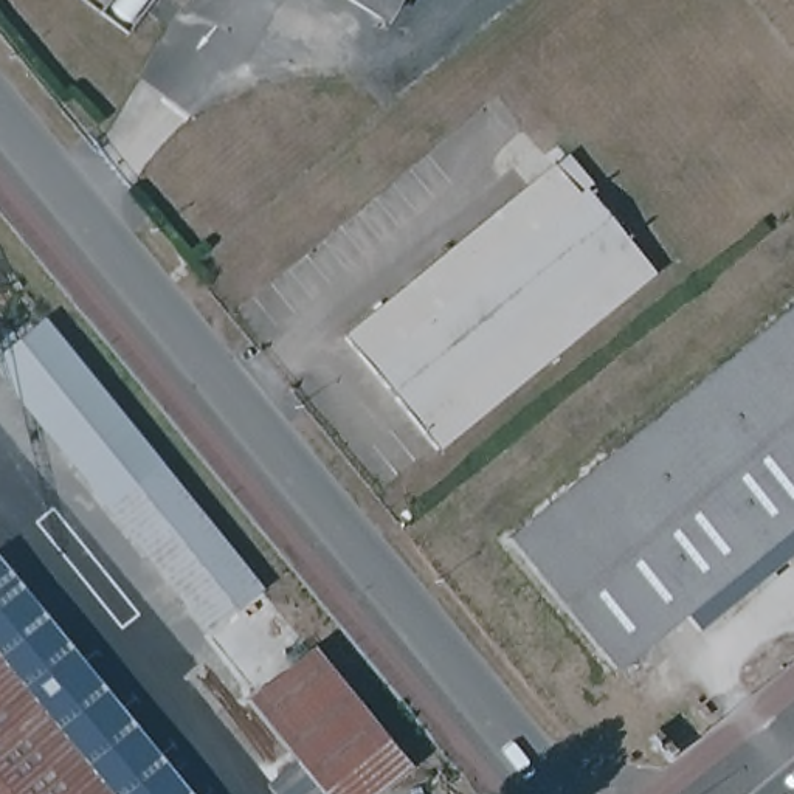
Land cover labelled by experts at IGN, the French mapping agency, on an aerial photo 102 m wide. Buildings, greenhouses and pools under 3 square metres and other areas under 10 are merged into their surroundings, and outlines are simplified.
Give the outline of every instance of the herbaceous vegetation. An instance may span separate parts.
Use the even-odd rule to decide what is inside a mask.
[[[90,366],[90,372],[102,381],[102,388],[115,397],[115,403],[127,413],[127,419],[140,428],[140,434],[155,447],[155,453],[189,490],[189,496],[202,506],[202,512],[242,555],[242,561],[254,571],[264,589],[273,605],[292,605],[292,630],[298,642],[288,645],[288,658],[307,658],[310,651],[323,651],[413,763],[431,757],[431,741],[416,726],[416,720],[409,720],[409,710],[400,707],[400,701],[385,689],[385,682],[350,648],[350,642],[338,633],[338,617],[319,599],[319,592],[301,577],[295,561],[279,549],[276,540],[267,537],[261,521],[233,493],[220,471],[208,462],[208,456],[199,453],[199,447],[183,434],[180,422],[171,419],[161,400],[130,369],[124,354],[118,354],[118,347],[74,301],[74,295],[56,279],[56,273],[40,261],[40,254],[0,211],[0,363],[6,357],[6,347],[19,341],[19,329],[50,319],[62,332],[62,338],[78,350],[78,357]]]
[[[28,40],[28,47],[40,56],[40,62],[59,78],[59,84],[78,87],[105,115],[102,121],[96,121],[81,102],[56,99],[53,90],[40,81],[40,74],[16,53],[9,37],[0,31],[0,78],[59,149],[81,146],[96,133],[112,136],[115,115],[127,105],[130,93],[140,84],[146,84],[152,53],[164,47],[164,28],[158,16],[143,19],[136,12],[124,37],[90,12],[96,0],[0,0],[0,9],[9,19],[9,25]]]
[[[611,670],[602,670],[586,639],[543,596],[543,589],[527,577],[527,571],[502,549],[502,533],[512,533],[524,527],[524,521],[533,512],[546,512],[549,502],[564,496],[577,475],[589,475],[596,462],[605,459],[605,453],[614,453],[627,447],[633,437],[639,437],[673,403],[692,394],[729,360],[735,360],[760,332],[778,323],[788,310],[794,310],[794,220],[778,223],[757,248],[738,257],[710,285],[710,292],[682,304],[645,338],[627,347],[617,360],[611,360],[599,375],[592,375],[583,388],[568,394],[540,425],[521,434],[518,444],[502,450],[475,478],[459,484],[428,515],[413,521],[409,499],[444,481],[530,394],[555,385],[583,357],[608,344],[623,329],[623,323],[630,323],[639,310],[664,298],[673,285],[685,282],[692,270],[710,264],[757,220],[794,205],[794,0],[499,0],[499,12],[493,12],[475,37],[453,47],[450,56],[428,65],[416,81],[409,81],[397,93],[360,87],[344,71],[288,71],[282,81],[254,81],[239,93],[220,93],[202,112],[189,115],[189,121],[183,121],[161,143],[161,149],[143,164],[143,174],[133,186],[155,202],[155,208],[189,245],[199,245],[199,239],[214,245],[214,257],[202,261],[205,279],[199,282],[189,273],[186,257],[177,251],[177,245],[133,202],[115,220],[146,248],[155,267],[186,298],[199,323],[214,335],[223,354],[230,354],[230,347],[242,350],[245,344],[251,344],[245,329],[251,329],[251,319],[242,310],[245,301],[270,292],[273,282],[282,279],[282,273],[304,254],[316,254],[319,245],[341,223],[363,211],[372,199],[385,195],[413,164],[419,164],[437,146],[440,136],[465,127],[465,121],[471,121],[475,115],[487,115],[487,99],[502,99],[502,105],[512,115],[518,109],[530,109],[533,115],[540,115],[555,130],[558,149],[592,177],[599,202],[617,217],[617,223],[633,236],[639,251],[651,261],[654,279],[642,285],[633,298],[627,298],[599,326],[592,326],[580,341],[574,341],[558,357],[558,363],[540,369],[493,413],[475,422],[447,450],[434,450],[428,459],[413,462],[406,471],[397,471],[394,478],[375,475],[344,440],[341,428],[319,409],[319,403],[301,378],[292,381],[292,391],[304,403],[307,416],[292,422],[292,434],[307,450],[307,456],[323,468],[323,475],[338,487],[347,506],[363,518],[363,524],[388,546],[397,564],[416,580],[416,586],[440,611],[450,630],[465,642],[465,648],[481,661],[481,667],[496,679],[496,685],[512,698],[512,704],[527,716],[527,723],[543,735],[549,747],[605,720],[623,720],[623,763],[661,772],[670,763],[676,763],[676,747],[695,741],[698,732],[685,716],[701,707],[698,695],[704,689],[701,682],[692,682],[689,689],[682,689],[676,701],[664,704],[648,695],[651,673],[658,673],[658,664],[664,661],[664,642],[651,648],[642,664],[614,664]]]
[[[794,670],[794,633],[782,633],[763,642],[741,664],[738,682],[751,701],[757,701],[772,673]]]

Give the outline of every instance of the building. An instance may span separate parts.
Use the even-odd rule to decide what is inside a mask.
[[[295,751],[292,763],[282,766],[276,778],[267,778],[270,794],[422,794],[419,788],[403,788],[403,778],[413,775],[413,763],[323,651],[310,651],[307,658],[288,658],[288,667],[254,692],[254,701],[270,713],[270,720],[282,729],[285,741]]]
[[[99,670],[87,661],[87,654],[71,642],[62,623],[16,574],[9,558],[0,555],[0,794],[195,794],[183,772],[161,754],[155,738],[130,713],[130,707],[112,692]]]
[[[543,577],[577,611],[583,627],[599,639],[599,645],[611,654],[614,664],[642,664],[651,648],[664,642],[689,617],[695,617],[701,627],[713,627],[769,577],[785,574],[794,561],[794,310],[788,310],[778,323],[760,332],[735,360],[729,360],[692,394],[673,403],[639,437],[633,437],[627,447],[614,453],[605,453],[605,459],[596,462],[589,475],[577,475],[564,496],[549,502],[546,512],[533,512],[524,521],[524,527],[512,533],[512,540],[530,555]]]
[[[397,9],[406,0],[369,0],[388,25],[397,19]]]
[[[6,357],[0,363],[0,375],[9,375],[12,388],[22,394],[25,406],[31,409],[43,434],[59,447],[62,459],[90,487],[96,506],[109,515],[109,521],[164,580],[164,589],[183,602],[186,617],[199,623],[202,636],[217,633],[230,620],[230,614],[236,614],[264,589],[254,571],[242,561],[242,555],[202,512],[202,506],[189,496],[189,490],[155,453],[155,447],[140,434],[140,428],[127,419],[127,413],[115,403],[115,397],[102,388],[102,381],[90,372],[90,366],[78,357],[78,350],[62,338],[62,332],[50,319],[19,329],[19,341],[6,347]]]
[[[487,223],[481,223],[437,264],[416,276],[403,292],[397,292],[391,301],[375,304],[372,313],[354,332],[344,335],[347,350],[372,378],[372,385],[381,388],[381,397],[391,400],[400,409],[400,416],[413,425],[413,431],[434,450],[447,450],[475,422],[493,413],[540,369],[558,363],[558,357],[574,341],[580,341],[592,326],[599,326],[627,298],[633,298],[642,285],[654,279],[651,261],[639,251],[633,236],[617,223],[617,217],[599,202],[592,177],[558,149],[537,149],[527,133],[506,143],[496,152],[493,167],[496,174],[518,174],[524,192],[518,192]]]

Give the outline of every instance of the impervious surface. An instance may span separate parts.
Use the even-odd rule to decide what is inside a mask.
[[[0,555],[9,558],[16,574],[62,623],[71,642],[87,654],[87,661],[99,670],[112,692],[130,707],[130,713],[155,738],[161,754],[183,772],[195,794],[270,794],[267,778],[276,778],[282,766],[292,763],[295,751],[285,741],[282,729],[270,720],[270,713],[254,701],[254,692],[288,667],[288,658],[288,645],[298,642],[292,630],[292,605],[273,605],[264,589],[236,614],[230,614],[230,620],[217,633],[202,636],[199,623],[186,617],[183,602],[164,589],[164,580],[109,521],[109,515],[96,506],[90,487],[62,459],[59,447],[43,434],[31,409],[25,406],[22,394],[12,388],[9,375],[0,375]]]
[[[602,670],[611,670],[614,664],[611,654],[599,645],[599,639],[583,627],[577,611],[543,577],[530,555],[512,540],[512,533],[502,533],[502,549],[527,571],[527,577],[543,589],[543,596],[586,639]]]
[[[413,462],[428,459],[434,450],[413,431],[413,425],[400,416],[400,409],[391,400],[381,397],[381,388],[372,385],[372,378],[347,350],[344,335],[354,332],[372,313],[375,304],[391,301],[397,292],[403,292],[416,276],[437,264],[481,223],[487,223],[518,192],[524,192],[518,174],[496,174],[493,167],[496,152],[506,143],[527,133],[537,149],[558,149],[555,130],[540,115],[533,115],[530,109],[518,109],[512,115],[502,105],[502,99],[487,99],[487,115],[475,115],[471,121],[465,121],[465,127],[440,136],[437,146],[419,164],[413,164],[385,195],[372,199],[363,211],[341,223],[319,245],[316,254],[304,254],[282,273],[282,279],[273,282],[270,292],[245,301],[242,310],[251,319],[251,329],[245,329],[251,344],[245,344],[242,350],[230,347],[230,354],[223,354],[214,335],[199,323],[186,298],[155,267],[146,248],[115,220],[133,202],[133,186],[143,174],[143,164],[161,149],[161,143],[183,121],[189,121],[189,115],[202,112],[220,93],[239,93],[254,81],[282,81],[288,71],[344,71],[360,87],[397,93],[409,81],[416,81],[428,65],[450,56],[453,47],[475,37],[493,12],[499,12],[499,0],[406,0],[397,9],[397,19],[388,25],[369,0],[96,0],[90,12],[124,37],[136,12],[143,19],[158,16],[164,28],[164,47],[152,53],[146,84],[140,84],[130,93],[127,105],[115,115],[112,136],[96,133],[81,146],[59,149],[0,78],[0,211],[40,254],[40,261],[56,273],[56,279],[74,295],[74,301],[118,347],[118,354],[124,354],[130,369],[161,400],[171,419],[180,422],[183,434],[199,447],[199,453],[208,456],[208,462],[220,471],[233,493],[261,521],[267,537],[276,540],[279,549],[295,561],[301,577],[319,592],[319,599],[338,617],[338,633],[350,642],[350,648],[385,682],[385,689],[400,701],[400,707],[409,710],[409,720],[416,720],[416,726],[431,741],[431,757],[413,763],[413,775],[403,778],[403,788],[419,788],[422,794],[794,794],[794,670],[772,673],[757,701],[751,701],[738,682],[723,695],[707,695],[704,689],[698,695],[701,707],[685,716],[698,732],[695,741],[676,747],[676,763],[670,763],[661,772],[623,763],[623,720],[605,720],[549,747],[543,735],[527,723],[527,716],[512,704],[512,698],[496,685],[496,679],[481,667],[481,661],[465,648],[465,642],[450,630],[440,611],[416,586],[416,580],[397,564],[388,546],[363,524],[363,518],[347,506],[338,487],[323,475],[323,468],[307,456],[307,450],[292,434],[292,422],[307,416],[304,403],[292,391],[292,381],[301,378],[319,403],[319,409],[341,428],[344,440],[375,475],[394,478],[397,471],[406,471]]]

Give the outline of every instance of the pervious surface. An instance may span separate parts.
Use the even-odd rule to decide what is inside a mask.
[[[658,673],[651,673],[648,695],[664,704],[676,701],[682,689],[689,689],[692,682],[701,682],[704,689],[707,695],[723,695],[738,682],[741,664],[763,642],[782,633],[794,633],[794,561],[785,574],[769,577],[713,627],[701,627],[695,617],[689,617],[664,642],[664,661],[658,664]]]

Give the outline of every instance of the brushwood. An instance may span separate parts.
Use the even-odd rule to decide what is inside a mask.
[[[623,329],[608,344],[583,357],[555,385],[530,394],[444,481],[409,499],[413,521],[428,515],[459,484],[475,478],[502,450],[518,444],[521,434],[540,425],[568,394],[583,388],[592,375],[599,375],[611,360],[617,360],[627,347],[645,338],[682,304],[710,292],[710,285],[738,257],[757,248],[778,223],[794,220],[794,205],[757,220],[710,264],[692,270],[685,282],[673,285],[664,298],[639,310],[630,323],[623,323]]]
[[[186,257],[189,273],[199,282],[205,279],[202,261],[214,257],[214,245],[199,239],[199,245],[189,245],[155,208],[155,202],[133,186],[133,202],[177,245],[177,251]]]
[[[81,102],[96,121],[102,121],[105,115],[78,87],[59,84],[59,78],[40,62],[40,56],[28,47],[28,40],[9,25],[9,19],[0,9],[0,31],[9,37],[16,53],[40,74],[40,81],[53,90],[56,99]]]

